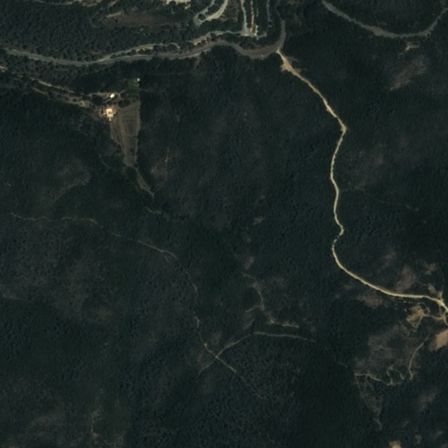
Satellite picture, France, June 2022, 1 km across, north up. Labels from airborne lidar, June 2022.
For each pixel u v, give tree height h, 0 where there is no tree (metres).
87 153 12
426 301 9
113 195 8
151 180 7
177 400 10
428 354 7
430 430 7
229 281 11
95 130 7
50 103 10
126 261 7
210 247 7
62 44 23
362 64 15
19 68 22
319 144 15
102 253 7
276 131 9
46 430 6
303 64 10
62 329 9
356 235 15
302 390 18
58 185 6
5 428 10
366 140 7
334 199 6
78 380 21
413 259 6
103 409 5
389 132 6
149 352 7
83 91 10
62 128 12
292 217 10
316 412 16
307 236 19
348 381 14
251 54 0
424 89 8
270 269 7
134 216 7
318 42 10
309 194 7
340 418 11
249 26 14
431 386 7
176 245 9
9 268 7
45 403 6
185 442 13
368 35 10
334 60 9
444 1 8
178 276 12
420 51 6
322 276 8
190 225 6
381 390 11
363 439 12
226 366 6
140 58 0
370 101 9
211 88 7
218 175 9
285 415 18
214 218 11
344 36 10
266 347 8
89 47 22
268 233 7
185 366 7
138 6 17
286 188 13
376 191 8
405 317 9
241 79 9
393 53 6
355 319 12
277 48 0
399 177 7
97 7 6
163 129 8
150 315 8
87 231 8
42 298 9
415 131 7
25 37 24
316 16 14
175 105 10
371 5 17
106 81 14
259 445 8
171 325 9
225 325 10
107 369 6
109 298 9
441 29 14
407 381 11
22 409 9
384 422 6
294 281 8
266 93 6
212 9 14
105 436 7
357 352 7
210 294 10
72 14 8
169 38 16
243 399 15
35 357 5
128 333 7
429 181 10
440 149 9
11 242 6
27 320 12
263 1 11
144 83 18
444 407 9
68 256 8
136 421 15
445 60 11
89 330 9
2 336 15
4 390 8
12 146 13
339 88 12
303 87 7
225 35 10
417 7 17
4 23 17
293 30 12
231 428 8
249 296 7
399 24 11
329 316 14
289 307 8
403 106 6
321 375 7
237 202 6
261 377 16
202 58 10
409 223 11
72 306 12
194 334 13
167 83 9
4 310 15
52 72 18
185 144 6
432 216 11
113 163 6
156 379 15
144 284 12
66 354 6
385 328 7
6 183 16
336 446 10
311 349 16
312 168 7
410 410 8
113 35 19
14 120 17
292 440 17
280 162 10
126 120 0
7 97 20
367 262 7
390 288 7
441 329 7
